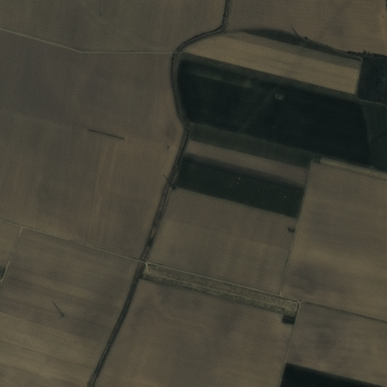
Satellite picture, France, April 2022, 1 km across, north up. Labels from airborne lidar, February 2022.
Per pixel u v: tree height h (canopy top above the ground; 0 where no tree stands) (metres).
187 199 0
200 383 0
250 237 0
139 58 0
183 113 0
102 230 0
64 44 0
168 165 0
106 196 0
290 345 0
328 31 0
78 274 0
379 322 0
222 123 0
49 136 0
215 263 0
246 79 0
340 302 0
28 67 0
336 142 0
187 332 0
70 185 0
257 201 0
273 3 0
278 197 0
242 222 0
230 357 0
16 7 0
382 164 0
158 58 0
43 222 0
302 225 0
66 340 0
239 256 0
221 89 0
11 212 0
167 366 0
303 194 0
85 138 0
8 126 0
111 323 0
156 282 0
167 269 0
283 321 0
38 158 0
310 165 0
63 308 0
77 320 0
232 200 0
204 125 0
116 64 0
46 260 0
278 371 0
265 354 0
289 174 0
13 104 0
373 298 0
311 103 0
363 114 0
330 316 0
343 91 0
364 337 0
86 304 0
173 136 0
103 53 0
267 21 0
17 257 0
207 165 0
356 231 0
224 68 0
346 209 0
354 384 0
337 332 0
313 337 0
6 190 0
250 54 0
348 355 0
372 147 0
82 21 0
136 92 0
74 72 0
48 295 0
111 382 0
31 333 0
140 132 0
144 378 0
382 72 17
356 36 0
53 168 0
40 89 0
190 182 0
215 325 0
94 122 0
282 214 0
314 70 0
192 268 0
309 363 0
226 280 0
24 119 0
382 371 0
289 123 0
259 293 0
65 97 0
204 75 0
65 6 0
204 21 0
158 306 0
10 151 0
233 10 0
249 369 0
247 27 0
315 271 0
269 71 0
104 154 0
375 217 0
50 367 0
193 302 0
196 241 0
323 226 0
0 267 0
